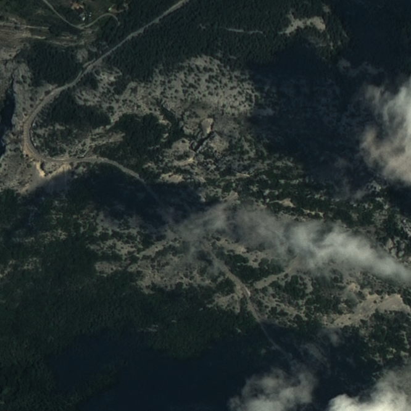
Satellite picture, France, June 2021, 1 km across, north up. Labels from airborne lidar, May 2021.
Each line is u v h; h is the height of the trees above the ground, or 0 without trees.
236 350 10
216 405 9
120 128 7
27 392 14
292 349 7
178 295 7
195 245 7
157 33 15
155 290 10
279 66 11
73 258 10
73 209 7
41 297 10
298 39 11
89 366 12
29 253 7
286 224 6
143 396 11
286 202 0
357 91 6
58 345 10
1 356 7
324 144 8
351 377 6
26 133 0
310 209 8
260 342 8
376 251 6
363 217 9
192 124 0
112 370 9
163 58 8
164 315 9
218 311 7
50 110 6
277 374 7
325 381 9
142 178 11
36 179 0
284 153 7
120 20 14
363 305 0
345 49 14
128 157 6
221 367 9
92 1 7
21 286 7
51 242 9
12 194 8
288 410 9
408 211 7
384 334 8
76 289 6
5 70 0
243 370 12
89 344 15
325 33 9
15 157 0
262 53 9
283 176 8
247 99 7
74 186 9
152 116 10
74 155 9
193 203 7
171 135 10
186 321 8
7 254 10
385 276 8
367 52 11
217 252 10
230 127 0
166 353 13
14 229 6
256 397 7
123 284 7
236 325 8
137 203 8
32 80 9
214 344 6
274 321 0
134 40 10
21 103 0
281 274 0
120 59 7
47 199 7
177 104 0
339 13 12
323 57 10
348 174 8
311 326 6
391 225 8
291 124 0
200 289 6
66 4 0
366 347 6
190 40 20
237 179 8
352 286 0
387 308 0
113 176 9
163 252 6
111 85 6
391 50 25
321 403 7
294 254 10
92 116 13
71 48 9
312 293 6
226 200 7
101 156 9
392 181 8
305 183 6
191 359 6
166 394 6
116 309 13
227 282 7
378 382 6
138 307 11
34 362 11
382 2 12
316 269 8
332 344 7
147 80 7
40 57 9
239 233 0
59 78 12
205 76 0
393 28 18
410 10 13
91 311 13
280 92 9
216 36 9
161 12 12
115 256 9
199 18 13
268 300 0
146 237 6
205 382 11
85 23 8
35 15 0
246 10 14
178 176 0
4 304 7
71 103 8
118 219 8
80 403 10
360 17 14
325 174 0
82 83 6
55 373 9
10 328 10
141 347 7
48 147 6
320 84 6
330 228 8
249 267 6
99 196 10
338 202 16
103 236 10
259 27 8
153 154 11
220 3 11
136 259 9
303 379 6
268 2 15
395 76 11
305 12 12
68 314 8
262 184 10
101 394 7
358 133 0
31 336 10
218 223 6
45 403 16
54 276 6
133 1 13
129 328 8
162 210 0
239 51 10
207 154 6
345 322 0
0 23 10
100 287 7
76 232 6
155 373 9
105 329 10
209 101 0
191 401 10
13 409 12
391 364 7
